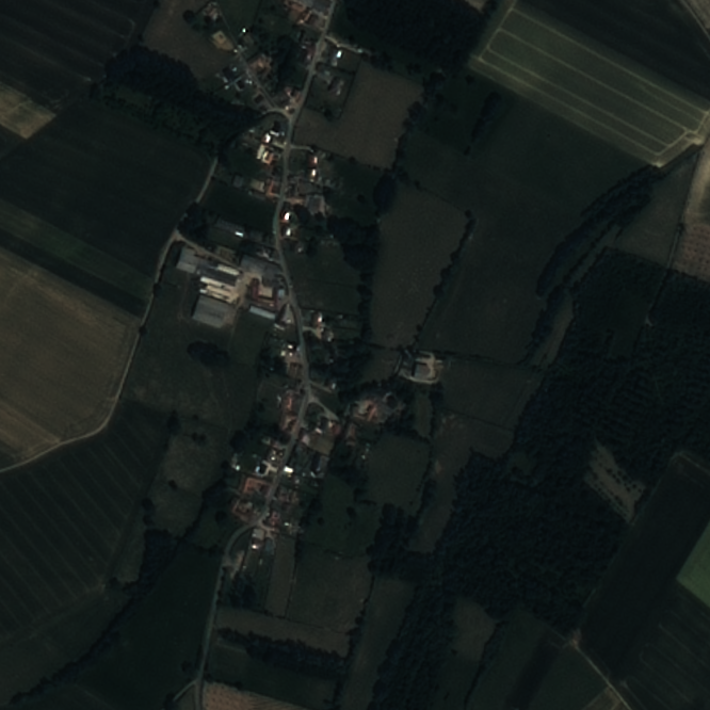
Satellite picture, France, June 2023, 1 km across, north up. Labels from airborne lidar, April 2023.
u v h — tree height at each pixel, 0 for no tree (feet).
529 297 0
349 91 0
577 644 0
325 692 0
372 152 0
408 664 39
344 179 0
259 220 0
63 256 0
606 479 0
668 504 0
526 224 0
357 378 54
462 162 0
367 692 0
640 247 0
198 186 0
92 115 0
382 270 0
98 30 0
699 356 23
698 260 0
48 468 0
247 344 0
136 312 0
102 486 0
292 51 35
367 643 0
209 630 0
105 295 0
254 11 0
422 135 0
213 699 0
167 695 0
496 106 59
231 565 0
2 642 0
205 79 0
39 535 0
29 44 0
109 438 0
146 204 0
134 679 0
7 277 0
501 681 0
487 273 0
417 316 0
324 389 0
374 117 0
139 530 0
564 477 59
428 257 0
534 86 0
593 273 41
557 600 53
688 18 0
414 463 0
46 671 0
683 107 0
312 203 0
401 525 69
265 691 0
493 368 0
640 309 0
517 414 0
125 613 37
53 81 0
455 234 0
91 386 0
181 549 51
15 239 0
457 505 45
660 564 0
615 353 0
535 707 0
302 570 0
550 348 0
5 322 0
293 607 0
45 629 0
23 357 0
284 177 0
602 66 0
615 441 55
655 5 0
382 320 0
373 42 0
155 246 0
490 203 0
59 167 0
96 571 0
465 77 0
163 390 0
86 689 0
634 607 0
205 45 0
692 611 0
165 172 0
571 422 52
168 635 0
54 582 0
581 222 0
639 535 0
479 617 0
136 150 0
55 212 0
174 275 0
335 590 0
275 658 89
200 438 39
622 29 0
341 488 0
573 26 0
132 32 0
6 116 0
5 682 0
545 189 0
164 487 0
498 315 0
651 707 0
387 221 0
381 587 0
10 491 0
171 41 0
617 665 0
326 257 0
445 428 0
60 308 0
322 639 0
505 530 52
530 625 0
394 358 0
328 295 0
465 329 0
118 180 0
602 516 52
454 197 0
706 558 0
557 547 56
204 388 0
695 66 0
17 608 0
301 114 0
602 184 0
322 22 0
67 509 0
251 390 0
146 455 0
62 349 0
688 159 0
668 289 26
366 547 0
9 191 0
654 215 0
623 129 0
